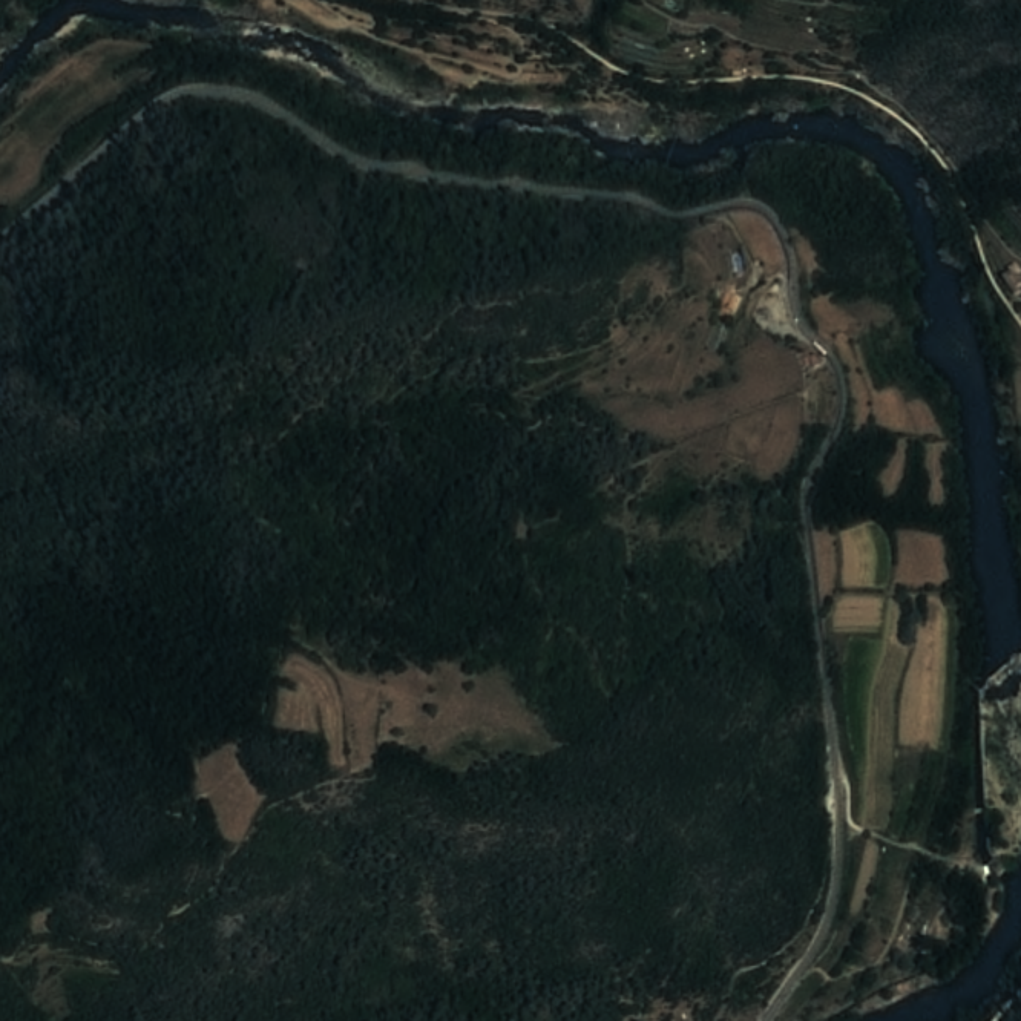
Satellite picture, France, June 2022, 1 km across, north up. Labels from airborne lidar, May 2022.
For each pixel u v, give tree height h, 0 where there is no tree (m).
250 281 13
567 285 8
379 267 10
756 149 9
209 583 13
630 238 7
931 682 0
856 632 0
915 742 0
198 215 14
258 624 13
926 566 0
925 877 13
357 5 15
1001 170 12
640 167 11
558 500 14
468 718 0
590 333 6
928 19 6
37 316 13
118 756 8
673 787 10
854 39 10
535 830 14
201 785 0
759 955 10
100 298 26
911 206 0
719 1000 9
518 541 8
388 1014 22
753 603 19
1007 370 15
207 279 14
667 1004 12
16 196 0
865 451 16
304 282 17
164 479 17
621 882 12
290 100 10
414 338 23
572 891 22
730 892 7
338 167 10
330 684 0
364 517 19
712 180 16
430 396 9
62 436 10
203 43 8
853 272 10
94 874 12
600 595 8
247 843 8
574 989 23
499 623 20
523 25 15
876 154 0
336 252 8
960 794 10
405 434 11
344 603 18
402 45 8
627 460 21
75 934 10
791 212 11
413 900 20
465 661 6
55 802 18
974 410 0
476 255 17
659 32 0
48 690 12
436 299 9
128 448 12
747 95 10
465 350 10
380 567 18
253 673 12
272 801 7
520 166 12
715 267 0
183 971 8
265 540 21
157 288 12
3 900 15
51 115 0
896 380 7
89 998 8
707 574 8
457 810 10
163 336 17
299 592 17
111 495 7
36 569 11
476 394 15
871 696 0
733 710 8
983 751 0
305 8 0
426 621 14
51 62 11
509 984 19
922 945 27
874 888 9
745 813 14
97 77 0
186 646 11
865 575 0
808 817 8
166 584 8
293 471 14
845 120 0
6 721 15
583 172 15
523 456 24
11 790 16
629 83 13
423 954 7
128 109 7
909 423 0
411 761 12
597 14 15
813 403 0
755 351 0
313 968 10
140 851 13
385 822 7
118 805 12
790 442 0
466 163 16
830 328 0
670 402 0
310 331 16
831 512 20
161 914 8
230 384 18
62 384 20
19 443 9
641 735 16
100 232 10
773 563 22
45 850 18
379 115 8
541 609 17
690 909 8
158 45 13
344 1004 8
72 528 8
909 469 7
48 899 9
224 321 12
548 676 9
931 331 0
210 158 18
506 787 13
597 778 13
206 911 9
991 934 0
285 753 15
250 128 6
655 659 14
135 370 24
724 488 12
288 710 0
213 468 11
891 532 9
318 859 7
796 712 7
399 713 0
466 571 14
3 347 6
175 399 23
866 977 10
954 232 7
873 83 6
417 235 10
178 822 12
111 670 10
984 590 0
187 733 14
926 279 0
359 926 9
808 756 10
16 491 16
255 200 9
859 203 12
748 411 0
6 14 9
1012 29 9
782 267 0
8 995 11
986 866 0
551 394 13
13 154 0
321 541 17
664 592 9
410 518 20
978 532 0
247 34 0
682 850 6
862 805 0
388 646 10
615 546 9
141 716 10
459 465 19
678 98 14
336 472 15
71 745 18
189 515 12
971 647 17
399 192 13
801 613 10
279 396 12
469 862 8
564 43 12
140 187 18
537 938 12
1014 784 0
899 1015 0
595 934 8
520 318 9
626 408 0
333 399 10
